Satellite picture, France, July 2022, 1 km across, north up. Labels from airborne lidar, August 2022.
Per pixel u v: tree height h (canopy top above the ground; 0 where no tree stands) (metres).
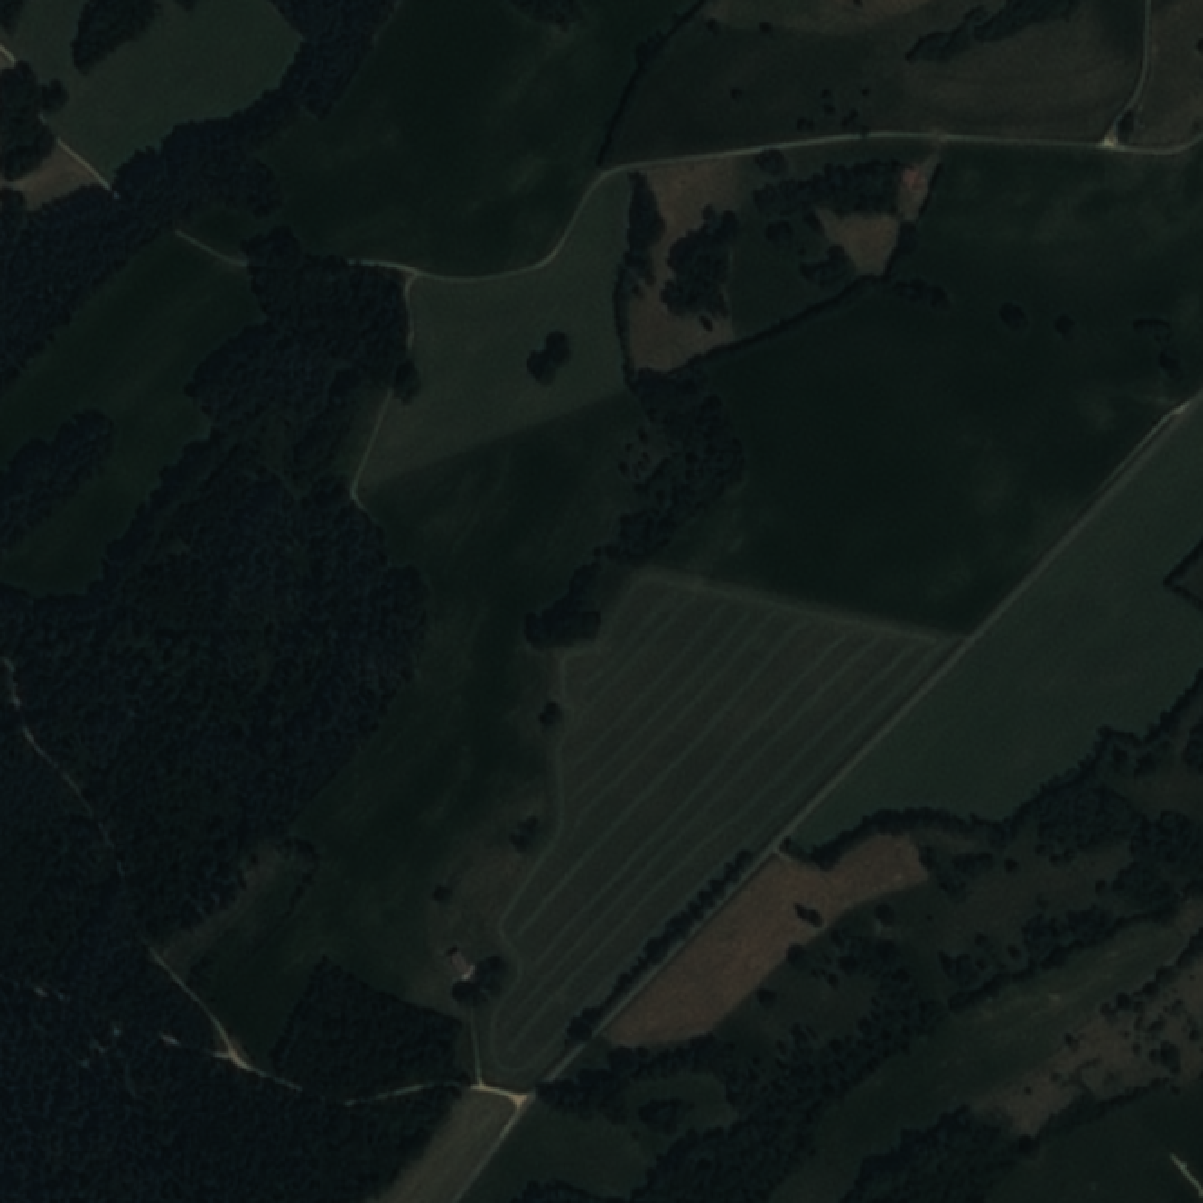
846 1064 12
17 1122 29
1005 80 0
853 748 0
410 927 0
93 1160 15
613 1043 0
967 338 0
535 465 0
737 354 7
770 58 0
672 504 8
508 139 0
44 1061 25
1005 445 0
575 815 0
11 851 10
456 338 0
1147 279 0
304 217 0
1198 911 0
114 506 0
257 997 0
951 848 0
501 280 0
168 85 0
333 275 18
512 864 0
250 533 25
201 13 0
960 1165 8
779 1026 0
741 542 0
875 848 0
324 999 14
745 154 0
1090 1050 0
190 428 0
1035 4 6
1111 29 0
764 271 0
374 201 0
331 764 18
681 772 0
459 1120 0
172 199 29
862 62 0
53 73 0
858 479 0
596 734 0
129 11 23
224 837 20
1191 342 0
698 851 0
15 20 16
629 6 0
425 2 0
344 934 0
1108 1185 0
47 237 22
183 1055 18
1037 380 0
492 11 0
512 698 0
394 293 16
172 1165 15
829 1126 0
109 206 25
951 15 0
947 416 0
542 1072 0
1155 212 0
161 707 10
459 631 0
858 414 0
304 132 0
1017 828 18
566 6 19
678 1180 16
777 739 0
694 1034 0
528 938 0
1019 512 0
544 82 0
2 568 0
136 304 0
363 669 29
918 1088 0
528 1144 0
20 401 0
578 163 0
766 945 0
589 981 0
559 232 0
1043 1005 0
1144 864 8
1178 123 0
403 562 0
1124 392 0
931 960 0
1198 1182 0
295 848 25
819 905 0
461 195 0
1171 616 0
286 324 22
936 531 0
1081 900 0
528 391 0
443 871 0
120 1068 30
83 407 0
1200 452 0
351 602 12
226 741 23
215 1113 20
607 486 0
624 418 0
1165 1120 0
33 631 22
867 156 0
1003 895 0
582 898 0
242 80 0
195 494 14
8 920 10
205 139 27
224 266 0
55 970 7
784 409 0
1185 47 0
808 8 0
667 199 0
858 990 0
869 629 0
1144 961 0
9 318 28
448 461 0
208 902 27
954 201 0
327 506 20
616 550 8
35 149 11
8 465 0
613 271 0
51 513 20
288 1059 8
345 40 26
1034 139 0
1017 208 0
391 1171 6
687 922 12
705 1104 0
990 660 0
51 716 21
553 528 0
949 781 0
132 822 16
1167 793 0
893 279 9
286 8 22
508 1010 0
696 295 13
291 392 20
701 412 10
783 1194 0
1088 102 0
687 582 0
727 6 0
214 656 34
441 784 0
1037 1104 0
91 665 11
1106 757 15
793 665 0
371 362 14
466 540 0
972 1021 0
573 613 19
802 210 10
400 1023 12
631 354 7
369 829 0
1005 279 0
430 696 0
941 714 0
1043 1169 0
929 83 0
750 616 0
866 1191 13
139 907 13
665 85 0
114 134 0
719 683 0
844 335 0
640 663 0
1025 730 0
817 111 0
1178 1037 0
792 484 0
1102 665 0
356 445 0
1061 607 0
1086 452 0
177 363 0
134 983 21
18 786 22
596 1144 0
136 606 14
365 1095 14
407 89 0
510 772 0
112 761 17
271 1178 16
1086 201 0
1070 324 15
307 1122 20
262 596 33
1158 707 0
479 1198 0
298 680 10
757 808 0
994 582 0
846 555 0
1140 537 0
